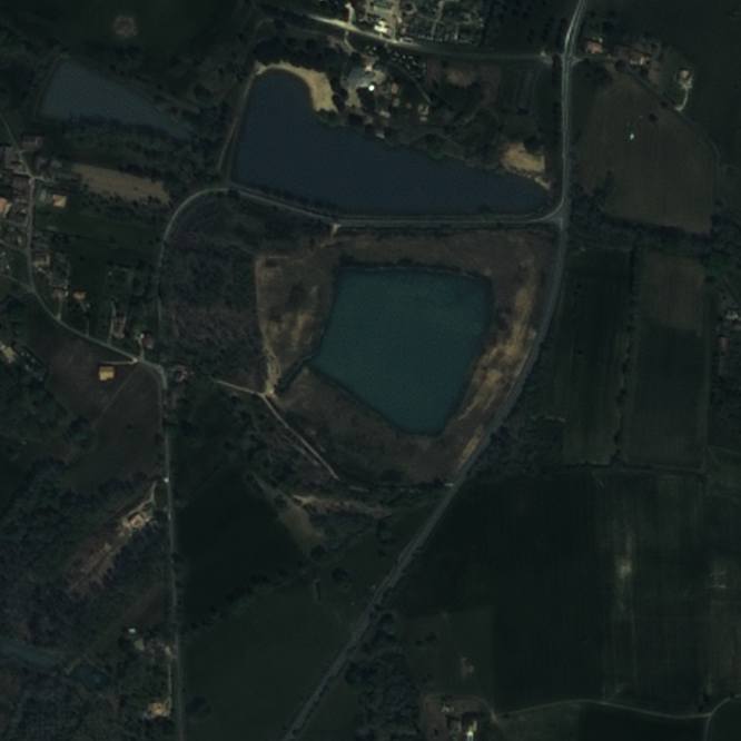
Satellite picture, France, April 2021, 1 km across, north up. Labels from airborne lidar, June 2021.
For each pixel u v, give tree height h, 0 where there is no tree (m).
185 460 0
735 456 0
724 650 0
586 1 0
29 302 0
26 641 13
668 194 0
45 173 14
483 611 0
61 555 25
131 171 11
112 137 19
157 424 0
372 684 25
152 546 19
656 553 0
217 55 0
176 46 0
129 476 0
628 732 0
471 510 0
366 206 0
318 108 0
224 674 0
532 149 11
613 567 0
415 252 0
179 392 19
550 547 0
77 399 0
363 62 11
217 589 0
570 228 6
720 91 0
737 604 0
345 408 0
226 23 0
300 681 0
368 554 0
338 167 0
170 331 10
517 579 0
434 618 0
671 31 0
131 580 26
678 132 0
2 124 0
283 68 0
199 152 16
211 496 0
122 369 0
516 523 0
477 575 0
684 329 0
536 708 0
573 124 0
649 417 0
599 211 18
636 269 17
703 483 0
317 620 0
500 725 0
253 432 12
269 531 0
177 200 13
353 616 0
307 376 0
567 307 0
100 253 0
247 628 0
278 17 13
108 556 0
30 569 23
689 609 0
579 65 0
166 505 0
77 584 0
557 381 0
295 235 0
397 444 0
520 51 0
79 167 0
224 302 11
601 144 0
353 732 0
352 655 8
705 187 0
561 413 0
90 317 8
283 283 0
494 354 0
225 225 0
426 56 0
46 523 18
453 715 0
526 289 0
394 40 0
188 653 0
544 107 0
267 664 0
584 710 0
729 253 15
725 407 10
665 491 0
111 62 0
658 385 0
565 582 0
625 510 0
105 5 0
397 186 0
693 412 0
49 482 16
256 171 0
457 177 0
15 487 0
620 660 0
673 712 0
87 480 0
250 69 0
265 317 0
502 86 0
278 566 0
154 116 0
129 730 12
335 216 8
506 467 11
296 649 0
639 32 0
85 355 0
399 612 0
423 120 0
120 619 16
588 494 0
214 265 13
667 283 0
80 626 24
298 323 0
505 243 0
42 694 23
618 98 0
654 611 0
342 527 17
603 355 0
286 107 0
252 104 0
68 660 13
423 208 0
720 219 9
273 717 0
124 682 15
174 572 14
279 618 0
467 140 0
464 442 0
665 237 15
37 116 0
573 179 8
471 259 0
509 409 0
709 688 0
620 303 0
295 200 12
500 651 0
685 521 0
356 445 0
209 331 11
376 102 11
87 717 20
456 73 0
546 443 9
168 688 7
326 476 11
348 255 0
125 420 0
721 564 0
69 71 0
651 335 0
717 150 0
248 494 0
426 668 0
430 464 0
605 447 0
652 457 0
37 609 7
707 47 0
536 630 0
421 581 0
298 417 0
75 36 0
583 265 0
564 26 9
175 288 12
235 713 0
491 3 13
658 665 0
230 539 0
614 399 0
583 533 0
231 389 0
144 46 0
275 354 0
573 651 0
